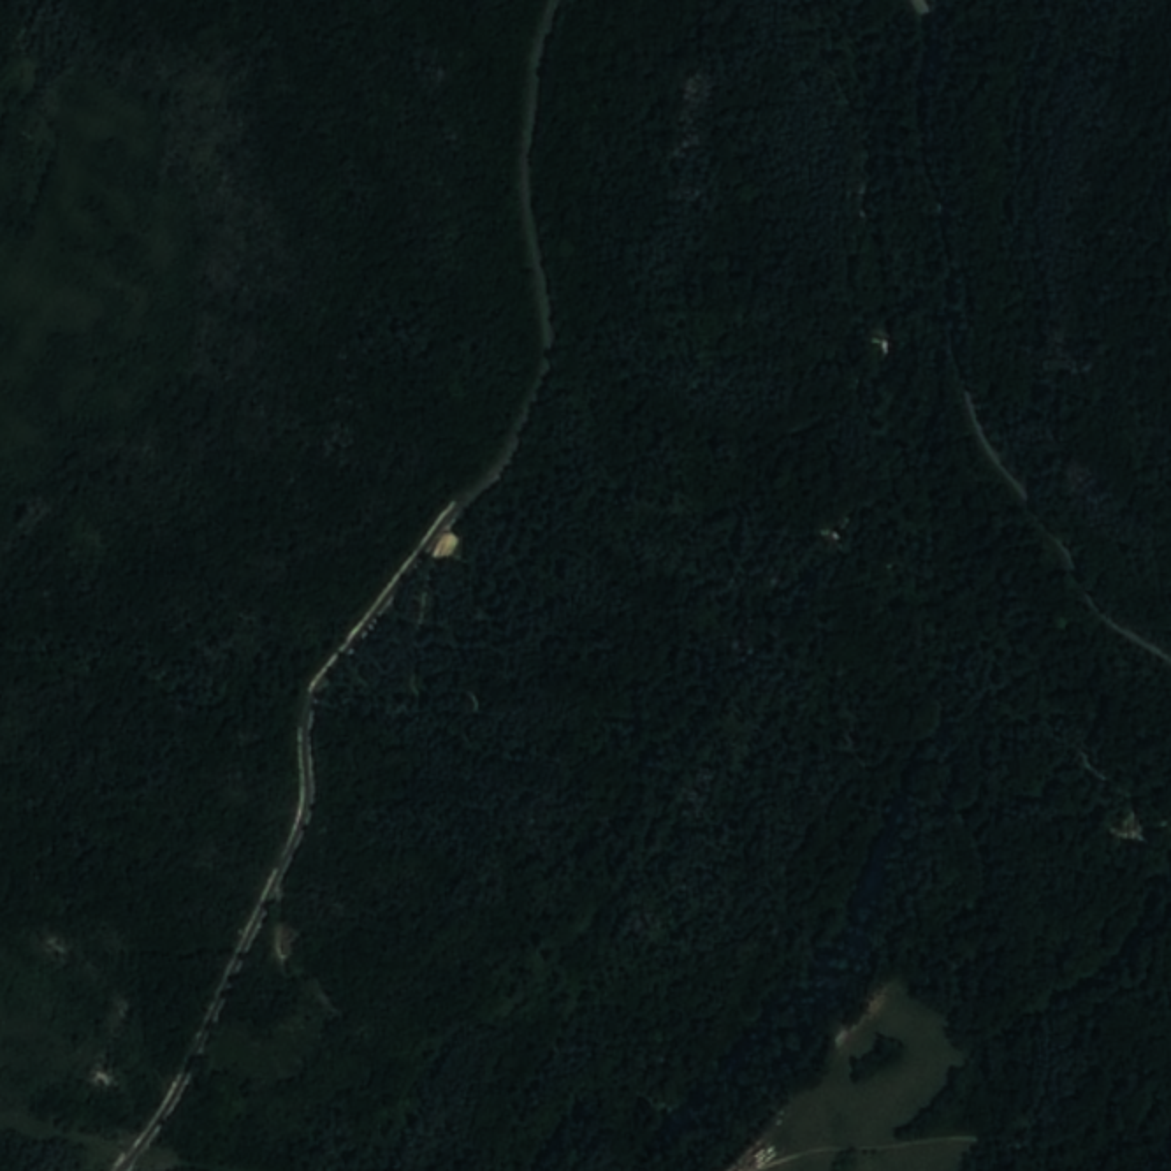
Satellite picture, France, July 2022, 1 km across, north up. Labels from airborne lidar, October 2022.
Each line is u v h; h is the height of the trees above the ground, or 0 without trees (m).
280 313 8
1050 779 7
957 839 23
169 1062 13
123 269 6
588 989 13
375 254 17
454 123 14
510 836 25
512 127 17
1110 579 24
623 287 21
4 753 6
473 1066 19
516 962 15
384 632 19
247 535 13
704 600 33
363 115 11
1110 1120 17
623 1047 17
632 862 20
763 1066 13
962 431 19
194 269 7
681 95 22
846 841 13
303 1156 12
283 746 17
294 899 6
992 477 15
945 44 22
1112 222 13
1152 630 23
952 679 22
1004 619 21
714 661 30
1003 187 8
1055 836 25
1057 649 19
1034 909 24
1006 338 12
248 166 7
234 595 6
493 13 23
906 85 21
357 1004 10
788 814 16
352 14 14
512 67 20
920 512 23
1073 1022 9
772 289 26
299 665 13
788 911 10
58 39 11
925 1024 0
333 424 14
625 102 24
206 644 8
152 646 16
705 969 13
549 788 23
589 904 9
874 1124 0
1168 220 20
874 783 27
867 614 15
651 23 16
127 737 15
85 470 11
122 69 7
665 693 31
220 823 12
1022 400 6
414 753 21
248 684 10
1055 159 25
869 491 26
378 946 19
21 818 11
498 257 19
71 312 0
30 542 13
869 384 20
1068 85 30
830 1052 13
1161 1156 14
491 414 13
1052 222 30
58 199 0
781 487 30
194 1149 18
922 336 17
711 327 6
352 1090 9
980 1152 15
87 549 6
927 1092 0
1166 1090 28
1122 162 17
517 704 23
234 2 22
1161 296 17
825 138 28
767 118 28
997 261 16
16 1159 10
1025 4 25
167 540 9
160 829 12
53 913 15
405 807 22
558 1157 22
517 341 18
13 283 0
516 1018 7
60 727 10
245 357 6
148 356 7
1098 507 30
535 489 15
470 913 19
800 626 30
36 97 15
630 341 26
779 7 29
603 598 25
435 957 8
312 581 13
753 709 11
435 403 14
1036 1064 22
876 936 7
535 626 34
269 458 13
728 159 30
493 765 21
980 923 18
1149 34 17
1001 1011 27
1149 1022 28
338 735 14
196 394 8
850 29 14
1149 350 27
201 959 14
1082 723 22
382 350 13
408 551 18
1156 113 21
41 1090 6
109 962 9
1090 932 28
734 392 25
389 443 15
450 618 28
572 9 18
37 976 6
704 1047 21
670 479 16
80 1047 10
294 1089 10
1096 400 19
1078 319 19
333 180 11
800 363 32
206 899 11
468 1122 23
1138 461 14
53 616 15
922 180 15
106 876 13
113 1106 9
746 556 28
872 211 18
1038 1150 24
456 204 14
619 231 23
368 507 8
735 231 25
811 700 37
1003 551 24
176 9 12
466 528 12
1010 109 18
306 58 17
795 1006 34
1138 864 27
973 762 30
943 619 8
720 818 15
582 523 15
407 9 15
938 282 18
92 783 8
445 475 15
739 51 31
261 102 11
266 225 7
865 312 25
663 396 25
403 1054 9
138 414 6
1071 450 18
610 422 23
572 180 21
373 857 13
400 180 11
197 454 7
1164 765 14
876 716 28
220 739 16
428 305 17
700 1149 25
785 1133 0
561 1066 25
